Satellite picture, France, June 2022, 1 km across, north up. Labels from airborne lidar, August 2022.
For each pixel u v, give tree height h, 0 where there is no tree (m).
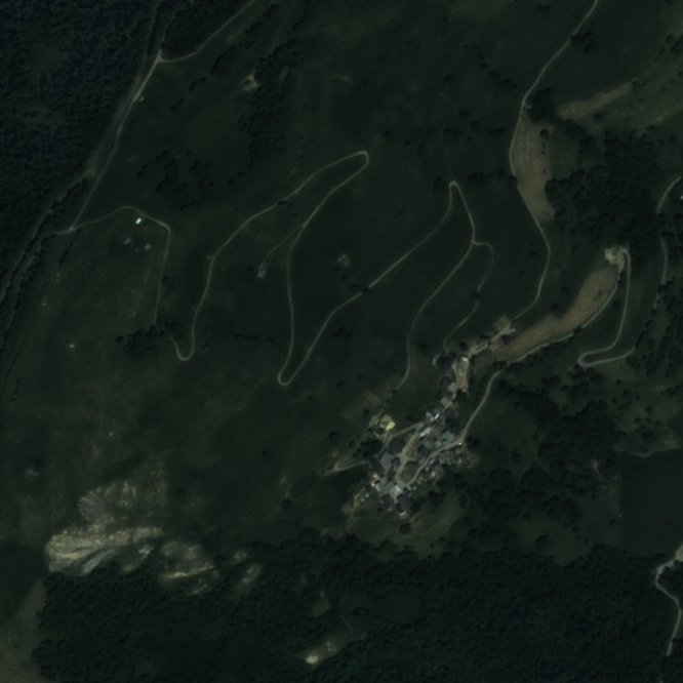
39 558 0
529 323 0
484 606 22
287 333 0
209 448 0
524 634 14
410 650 22
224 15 18
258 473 0
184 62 0
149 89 0
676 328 16
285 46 9
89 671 11
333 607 6
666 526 0
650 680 26
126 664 14
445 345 0
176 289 0
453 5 0
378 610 0
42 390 0
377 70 0
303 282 0
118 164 0
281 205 11
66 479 0
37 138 8
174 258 0
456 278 0
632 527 0
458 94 0
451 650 21
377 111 0
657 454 0
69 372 0
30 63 19
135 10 11
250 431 0
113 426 0
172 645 7
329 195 0
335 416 0
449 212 0
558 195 20
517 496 18
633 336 0
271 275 0
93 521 0
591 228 11
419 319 0
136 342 14
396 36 0
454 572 22
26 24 27
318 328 0
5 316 10
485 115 0
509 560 12
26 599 0
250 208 0
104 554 0
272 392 0
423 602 12
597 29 0
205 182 13
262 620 15
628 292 0
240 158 0
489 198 0
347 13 0
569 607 19
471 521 15
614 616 9
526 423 0
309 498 0
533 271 0
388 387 0
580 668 16
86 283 0
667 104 0
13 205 10
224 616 16
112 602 12
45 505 0
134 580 8
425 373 0
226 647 14
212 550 9
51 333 0
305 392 0
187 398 0
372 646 12
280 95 11
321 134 0
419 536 0
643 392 0
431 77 0
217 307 0
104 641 12
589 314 0
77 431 0
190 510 0
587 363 0
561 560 0
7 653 0
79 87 18
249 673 17
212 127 0
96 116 11
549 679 32
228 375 0
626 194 25
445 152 0
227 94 0
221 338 0
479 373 0
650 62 0
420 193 0
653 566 23
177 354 0
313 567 10
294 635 15
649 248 23
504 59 0
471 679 16
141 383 0
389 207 0
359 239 0
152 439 0
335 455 0
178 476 0
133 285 0
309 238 0
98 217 0
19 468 0
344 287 0
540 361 13
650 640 7
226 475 0
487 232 0
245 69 0
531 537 0
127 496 0
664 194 0
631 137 14
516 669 20
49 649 13
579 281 0
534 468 13
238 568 8
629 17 0
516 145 0
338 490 0
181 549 0
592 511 0
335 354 0
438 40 0
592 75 0
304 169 0
